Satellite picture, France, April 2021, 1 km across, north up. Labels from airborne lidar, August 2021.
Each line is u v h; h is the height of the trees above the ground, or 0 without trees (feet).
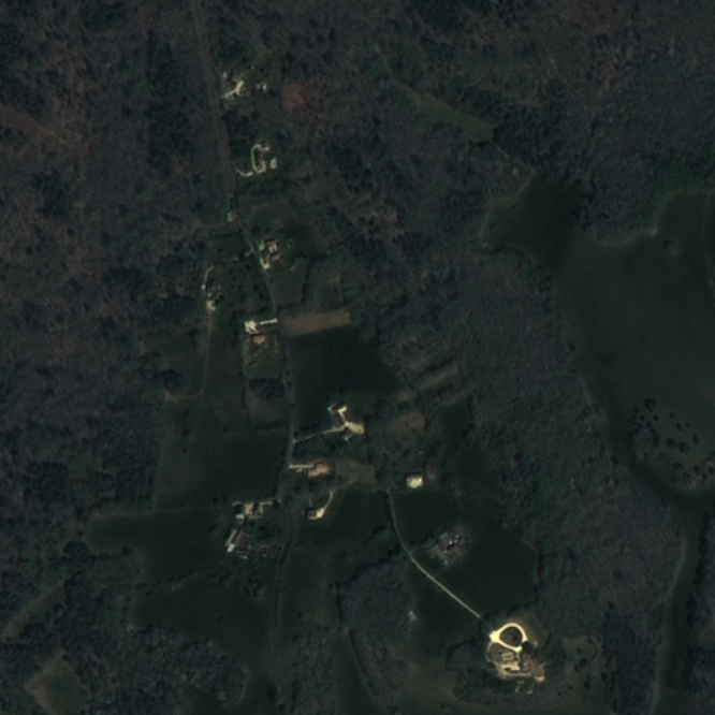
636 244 0
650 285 0
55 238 25
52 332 19
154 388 71
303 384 0
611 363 0
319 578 0
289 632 0
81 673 55
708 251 0
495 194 51
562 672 0
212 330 0
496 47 46
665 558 49
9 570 28
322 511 0
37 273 38
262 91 35
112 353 38
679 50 44
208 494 0
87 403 31
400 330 56
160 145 76
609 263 0
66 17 74
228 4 47
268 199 39
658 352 0
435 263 73
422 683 0
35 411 31
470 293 59
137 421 61
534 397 70
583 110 33
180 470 0
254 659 0
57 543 56
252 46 58
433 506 0
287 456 46
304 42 49
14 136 64
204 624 0
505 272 39
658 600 64
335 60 72
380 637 62
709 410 0
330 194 0
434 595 0
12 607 49
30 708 62
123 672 77
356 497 0
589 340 0
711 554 78
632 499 43
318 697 37
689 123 65
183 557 0
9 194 36
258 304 0
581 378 57
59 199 78
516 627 0
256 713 0
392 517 22
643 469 0
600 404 0
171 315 61
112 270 38
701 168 69
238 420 0
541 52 44
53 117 27
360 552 0
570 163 67
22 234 33
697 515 0
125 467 49
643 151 53
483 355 62
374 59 46
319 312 0
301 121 27
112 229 34
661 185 71
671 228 0
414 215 59
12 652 57
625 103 66
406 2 50
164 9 37
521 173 55
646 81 68
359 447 51
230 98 37
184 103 44
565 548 69
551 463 77
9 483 24
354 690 0
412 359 61
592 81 52
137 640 51
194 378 0
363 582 78
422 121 79
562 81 34
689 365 0
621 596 31
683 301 0
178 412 0
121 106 45
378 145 88
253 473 0
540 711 0
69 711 0
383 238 49
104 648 81
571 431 81
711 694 41
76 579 67
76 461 44
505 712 0
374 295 80
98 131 41
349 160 59
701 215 0
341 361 0
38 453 52
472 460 0
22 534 43
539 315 55
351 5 51
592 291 0
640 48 39
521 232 0
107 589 74
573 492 58
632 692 64
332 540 0
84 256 25
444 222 36
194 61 61
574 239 0
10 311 42
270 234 25
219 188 58
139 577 58
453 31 48
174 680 44
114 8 19
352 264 67
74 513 23
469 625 0
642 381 0
